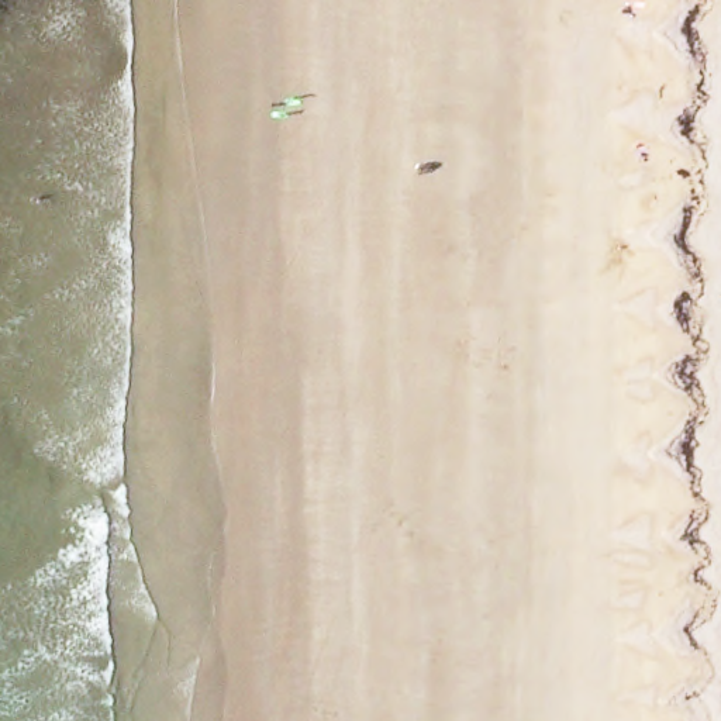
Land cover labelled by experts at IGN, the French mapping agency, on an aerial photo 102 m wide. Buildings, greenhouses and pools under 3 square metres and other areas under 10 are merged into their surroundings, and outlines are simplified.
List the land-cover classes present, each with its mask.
<instances>
[{"label":"bare soil","instance_id":"1","mask_svg":"<svg viewBox=\"0 0 721 721\"><path fill-rule=\"evenodd\" d=\"M135 107L130 180L132 352L121 439L124 487H118L113 499L118 515H130L135 560H113L107 566V583L118 589V600L127 608H135L127 617L121 673L127 701L132 698V690L144 687V696L135 710L138 721H721V0H130Z\"/></svg>","mask_w":721,"mask_h":721},{"label":"water","instance_id":"2","mask_svg":"<svg viewBox=\"0 0 721 721\"><path fill-rule=\"evenodd\" d=\"M135 107L130 0H0V721H138L135 710L144 696V687L132 690V698L127 701L121 673L127 617L135 608H127L118 600V589L107 583V566L113 560H135L130 515H118L113 499L118 487H124L121 439L132 352L130 180Z\"/></svg>","mask_w":721,"mask_h":721}]
</instances>
